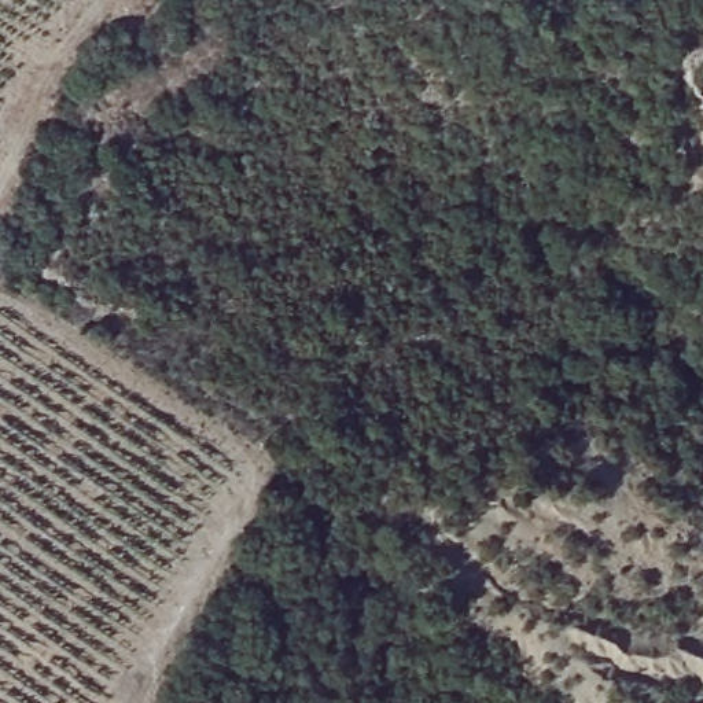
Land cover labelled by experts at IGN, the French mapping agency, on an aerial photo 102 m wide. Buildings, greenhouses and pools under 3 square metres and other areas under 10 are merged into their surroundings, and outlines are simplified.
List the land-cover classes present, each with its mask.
<instances>
[{"label":"deciduous trees","instance_id":"1","mask_svg":"<svg viewBox=\"0 0 703 703\"><path fill-rule=\"evenodd\" d=\"M159 14H151L148 19L118 16L113 22H102L77 47V58L66 69L58 88L55 115L36 126V137L25 151L11 211L0 214V280L5 283L8 294L22 299H30L36 294L47 310H52L69 324H77L82 335L104 343L107 335L102 332V321L91 310L77 305V297L102 305L137 308L132 330L137 332V338H151L154 327L162 324V308L148 297L129 294L110 272L99 266L88 269V277H69V286H58L55 280L44 277L49 255L63 242V231L77 233V200L82 192H93L96 176H110L104 192H96L91 203V209H99V217H115L121 209H129L132 217H146L151 211L143 178L132 168L118 162L113 148H99L102 129V124L80 115L85 107H93V102H99L107 91L118 85H129L146 69H176L181 63V55L198 41H203L206 47H222L228 55L214 63L211 71L198 74L178 91L159 93L146 115L148 126L159 137L192 132L214 148L253 151L258 154V159L310 168V173L316 176L341 168L346 157H354L360 165L373 168V148L393 151L395 165L415 168L428 181L431 192L437 195L434 214L448 220V228L423 225V236L428 242L431 255H450L464 269H481L494 288H522L544 283V275H535L544 261H549L555 275H571L577 280V291H560L552 305V324L563 330V338L555 346L544 343L541 352L563 368H511L514 409L535 417L541 428L552 426L555 415L549 404L538 401L541 387L563 384L566 379L590 384V390H601V384H610L612 395L618 398H629L632 384L676 387L673 371L684 365V338H703V250L687 247L681 250V255H667L648 247H634L621 239L618 225L623 222V211L634 198H648L656 203H681L689 187L703 189V118L695 96L687 91L684 82V58L692 49L703 47V0H157ZM291 511V500H277L272 492L264 489L258 494L255 516L231 541L228 568L211 590V596L206 599L203 612L195 615L187 648H181L173 665L165 667V681L159 687L157 703H571L568 695H560L557 689H538L530 676H525V654L519 651V645L511 637L489 629L472 621L470 610L459 615L453 612V593L445 585H420L417 571L412 566H406L404 571H393L387 579L379 571H368V582L371 588H376V596L365 599L362 604V634L349 637L343 623V596L327 588L305 590L302 579L313 574V566L308 563L302 546H291V535L280 533L277 514Z\"/></svg>","mask_w":703,"mask_h":703},{"label":"brushwood","instance_id":"2","mask_svg":"<svg viewBox=\"0 0 703 703\"><path fill-rule=\"evenodd\" d=\"M124 135L102 129L99 148H113L118 162L132 168L143 178L151 211L146 217H132L129 209H121L115 217H99V209H91V203L96 192H104L110 176H96L93 192H82L77 200V233L63 231V242L49 255L44 277L55 280L58 286H69V277H88V269L99 266L110 272L129 294L148 297L162 308V324L154 327L151 338H137V332L132 330L137 308L102 305L77 297V305L91 310L102 321V332L107 335L104 343L115 357L129 360L137 371L148 373L151 379L173 390L184 404L195 406L209 417H222L231 434L264 442L275 464V472L264 489L272 492L277 500H291V511L277 514L280 533L291 535V546H302L308 563L313 566V574L302 579L305 590L327 588L343 596V623L349 637L362 634V604L365 599L376 596V588H371L368 582V571H379L387 579L393 571H404L406 566H412L417 571L420 585H445L453 579V571L445 560H434L428 546L437 541V533L456 530L459 535H467L470 527L481 522V516L492 508V500L500 489H516V505L522 508L533 505L538 497H568L585 505L596 500H610L618 492L629 461H648L654 467V478H645L640 483V494L656 505L659 519H687L692 525L689 538L676 541L670 549L676 588L665 590L659 585L656 568H643L634 563H626L621 571L610 574L607 557L612 555V544L601 538V533H582L574 525H557L555 530H546V541L563 538L566 552L574 563L593 566L596 585L579 582L577 577L566 574L560 563H555L546 555H538L535 549H508L505 541L514 525L503 522L494 535L481 541V555L475 563L489 574L483 596L475 599L470 610L472 621L489 629L497 615L514 612L525 621L527 632H533L538 623H549V637H557L566 626H571L615 643L629 656H670L678 651V643L689 637L703 643V338H684V365L673 371L676 387L632 384L629 398H618L612 395L610 384H601V390H590V384L566 379L563 384L541 387L538 401L549 404L555 415L552 426L541 428L535 417L514 409L511 368H563L541 352L544 343L555 346L563 338V330L552 324V305L560 291H577V280L571 275H555L549 261H544L535 275H544V283L522 288H494L481 269H464L450 255H431L428 242L423 236V225L448 228V220L434 214L437 195L431 192L428 181L415 168L395 165L393 151L373 148V168L360 165L354 157H346L341 168L316 176L310 173V168L258 159V154L253 151L214 148L192 132L159 137L148 126L146 115L124 113ZM621 239L634 247H648L667 255H681V250L687 247L703 250V189L689 187L681 203H656L648 198H634L623 211V222L618 225ZM654 703H703V681L698 676L670 678L662 692L651 689Z\"/></svg>","mask_w":703,"mask_h":703},{"label":"vineyard","instance_id":"3","mask_svg":"<svg viewBox=\"0 0 703 703\"><path fill-rule=\"evenodd\" d=\"M151 14H159L157 0H0V214L11 211L25 151L36 137V126L55 115L58 88L66 69L77 58V47L102 22H113L118 16L148 19ZM275 472V464L264 442L231 434L222 417H209L195 406L184 404L173 390L151 379L148 373L137 371L129 360L115 357L104 343L82 335L77 324H69L52 310H47L36 294L30 299H22L8 294L5 283L0 280V703H157L159 687L165 681V667L173 665L181 648H187L195 615L203 612L206 599L211 596V590L228 568L231 541L255 516L258 494L264 489Z\"/></svg>","mask_w":703,"mask_h":703},{"label":"bare soil","instance_id":"4","mask_svg":"<svg viewBox=\"0 0 703 703\"><path fill-rule=\"evenodd\" d=\"M228 55L222 47H206L203 41H198L181 55V63L176 69H146L129 85H118L107 91L99 102H93V107H85L80 115L102 124V129L124 135V113L146 115L159 93L178 91L198 74L211 71L214 63ZM684 82L687 91L695 96L703 118V47L692 49L684 58ZM645 478H654V467L648 461H629L618 492L610 500H596L585 505L568 497H538L533 505L522 508L516 505V489H500L492 500V508L481 516V522L470 527L467 535H459L456 530L437 533V541L428 546L434 560H445L453 571V579L445 585L453 593V612L459 615L470 610L475 599L483 596L489 574L475 563L481 555V541L494 535L503 522L514 525L505 541L508 549H535L538 555H546L555 563H560L566 574L577 577L579 582L596 585L593 566L574 563L566 552L563 538L546 541V530H555L557 525H574L582 533H601V538L612 544V555L607 557L610 574L621 571L626 563H634L643 568H656L659 585L665 590L676 588L670 549L676 541L689 538L692 525L687 519H659L656 505L640 494V483ZM489 629L511 637L519 645V651L525 654V676H530L538 689H557L560 695H568L571 703H654L651 689L662 692L670 678L698 676L703 681V643L689 637L678 643V651L670 656H629L615 643L571 626H566L557 637H549V623H538L533 632H527L525 621L514 612L497 615Z\"/></svg>","mask_w":703,"mask_h":703}]
</instances>
